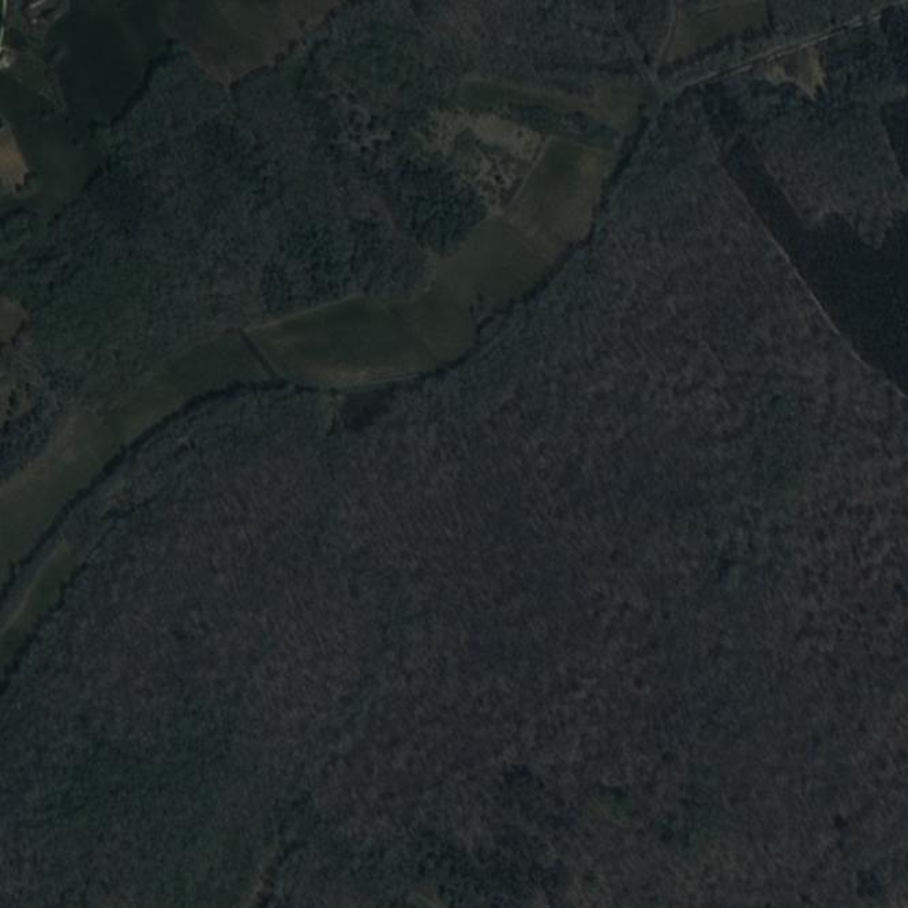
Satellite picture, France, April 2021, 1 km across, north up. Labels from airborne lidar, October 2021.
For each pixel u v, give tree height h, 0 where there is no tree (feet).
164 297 87
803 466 73
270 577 67
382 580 74
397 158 39
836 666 38
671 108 38
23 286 82
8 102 0
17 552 0
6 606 56
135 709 57
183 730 86
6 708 63
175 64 70
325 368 0
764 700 47
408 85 48
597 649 52
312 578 68
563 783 67
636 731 30
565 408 57
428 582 64
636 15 41
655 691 24
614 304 60
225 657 72
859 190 72
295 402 69
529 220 0
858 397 64
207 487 62
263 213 66
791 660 47
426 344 0
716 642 49
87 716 57
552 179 0
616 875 53
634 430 65
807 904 55
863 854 60
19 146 0
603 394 56
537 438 62
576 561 55
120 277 87
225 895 66
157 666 52
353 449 65
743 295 44
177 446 58
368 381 0
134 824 91
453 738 33
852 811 32
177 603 51
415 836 73
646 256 65
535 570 58
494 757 28
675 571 72
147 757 60
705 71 71
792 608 59
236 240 75
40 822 61
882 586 35
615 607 27
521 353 73
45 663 47
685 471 60
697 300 58
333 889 92
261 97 72
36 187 32
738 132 52
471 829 67
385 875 77
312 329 0
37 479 0
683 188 75
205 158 62
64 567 0
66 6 31
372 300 71
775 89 22
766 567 57
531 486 56
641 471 57
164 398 0
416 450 49
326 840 68
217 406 69
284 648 44
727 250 58
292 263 61
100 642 55
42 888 72
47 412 47
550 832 68
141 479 80
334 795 58
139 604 58
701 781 61
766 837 47
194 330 87
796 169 63
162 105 61
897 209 59
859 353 48
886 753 27
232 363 0
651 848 58
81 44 0
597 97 45
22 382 59
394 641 75
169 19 0
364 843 65
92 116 0
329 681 52
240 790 83
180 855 85
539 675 66
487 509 47
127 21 0
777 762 33
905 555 23
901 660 59
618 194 82
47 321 88
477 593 59
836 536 52
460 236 57
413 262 61
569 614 58
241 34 0
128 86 0
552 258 0
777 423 67
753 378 43
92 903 73
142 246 77
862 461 52
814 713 45
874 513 41
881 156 68
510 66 75
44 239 58
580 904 57
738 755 49
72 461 0
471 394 64
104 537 62
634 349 55
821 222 58
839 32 31
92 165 0
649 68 42
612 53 59
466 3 74
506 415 55
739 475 73
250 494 60
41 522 0
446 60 75
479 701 30
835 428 51
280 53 0
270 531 43
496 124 0
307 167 75
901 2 78
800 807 36
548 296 72
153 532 50
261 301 78
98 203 58
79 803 66
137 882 71
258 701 63
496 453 58
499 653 52
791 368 74
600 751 37
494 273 0
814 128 60
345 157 53
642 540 59
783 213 46
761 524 78
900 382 50
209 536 52
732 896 59
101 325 102
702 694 43
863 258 49
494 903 34
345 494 74
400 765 62
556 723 41
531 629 68
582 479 64
